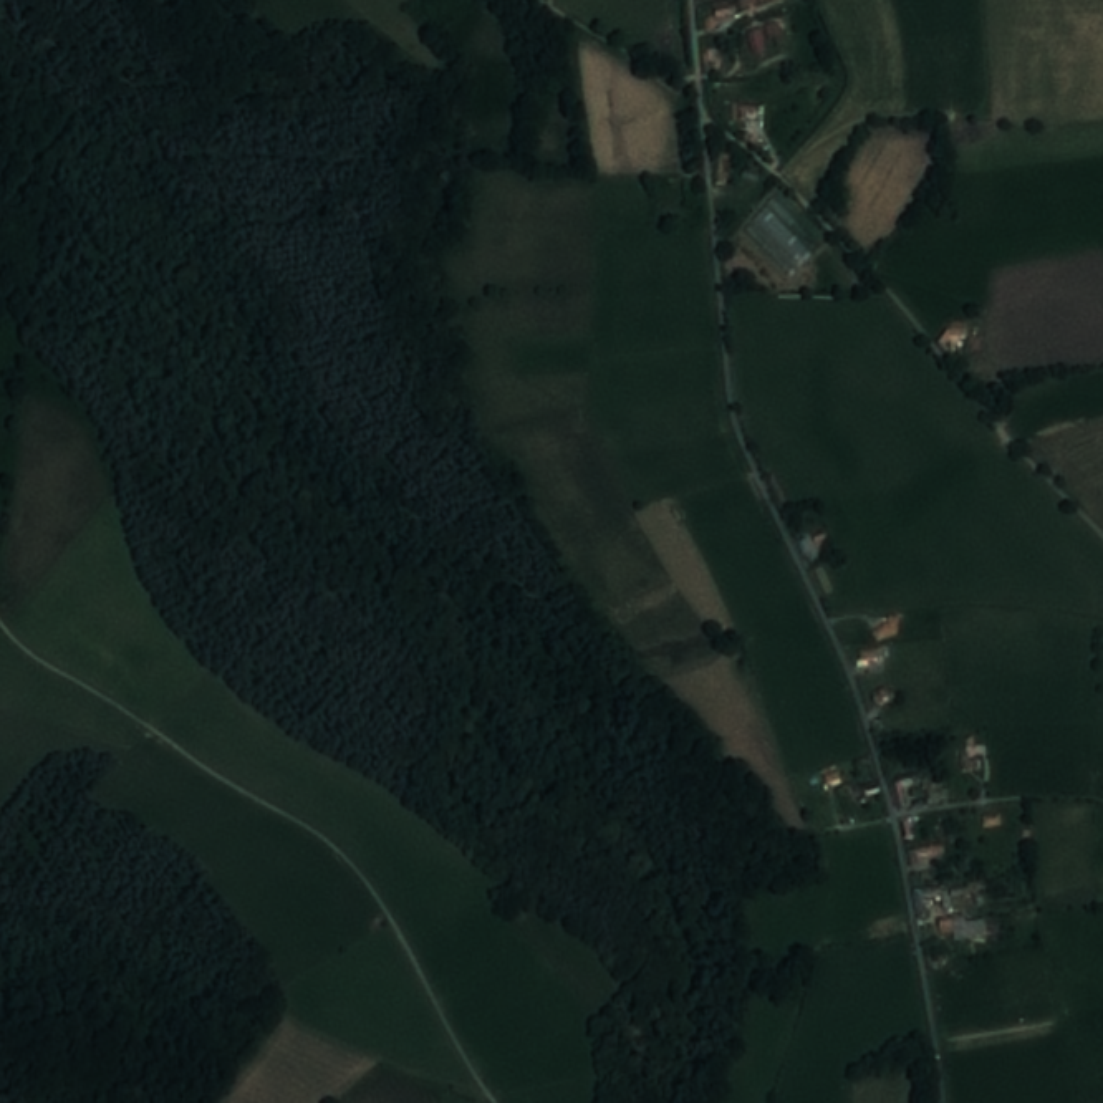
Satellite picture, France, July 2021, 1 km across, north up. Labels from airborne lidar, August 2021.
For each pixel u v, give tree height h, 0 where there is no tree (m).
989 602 0
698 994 21
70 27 19
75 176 24
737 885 20
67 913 21
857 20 0
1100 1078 0
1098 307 0
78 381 17
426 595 22
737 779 24
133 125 19
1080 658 0
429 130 23
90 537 0
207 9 27
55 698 0
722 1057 22
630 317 0
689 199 8
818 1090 0
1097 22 0
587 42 0
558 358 0
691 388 0
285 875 0
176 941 22
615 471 0
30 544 0
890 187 0
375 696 18
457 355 18
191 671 0
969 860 15
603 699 20
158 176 29
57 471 0
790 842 19
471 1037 0
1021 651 0
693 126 17
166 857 19
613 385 0
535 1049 0
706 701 0
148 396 25
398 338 19
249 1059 14
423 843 0
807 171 0
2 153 15
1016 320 0
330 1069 0
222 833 0
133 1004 20
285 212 21
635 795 23
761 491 0
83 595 0
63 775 21
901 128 13
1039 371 18
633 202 0
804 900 0
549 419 0
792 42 0
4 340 0
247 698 21
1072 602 0
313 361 19
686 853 22
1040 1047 0
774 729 0
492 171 20
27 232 12
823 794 0
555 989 0
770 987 24
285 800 0
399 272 25
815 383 0
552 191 0
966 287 0
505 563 23
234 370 32
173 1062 16
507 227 0
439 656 24
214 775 0
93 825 17
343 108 25
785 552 0
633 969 21
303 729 18
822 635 0
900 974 0
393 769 20
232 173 13
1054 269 0
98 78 23
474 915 0
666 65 20
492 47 0
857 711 0
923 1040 17
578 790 21
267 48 20
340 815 0
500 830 21
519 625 23
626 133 0
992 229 0
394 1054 0
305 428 19
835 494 0
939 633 0
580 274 0
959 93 0
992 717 0
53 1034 25
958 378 15
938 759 11
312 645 22
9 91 25
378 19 0
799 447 0
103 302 22
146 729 0
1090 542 0
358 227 25
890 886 0
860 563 0
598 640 21
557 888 22
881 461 0
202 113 25
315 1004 0
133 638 0
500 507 23
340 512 22
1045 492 0
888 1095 0
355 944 0
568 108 19
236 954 21
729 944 19
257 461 26
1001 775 0
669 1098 19
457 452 19
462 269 0
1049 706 0
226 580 17
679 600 0
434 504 17
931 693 0
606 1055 22
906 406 0
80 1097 15
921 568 0
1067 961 0
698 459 0
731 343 12
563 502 0
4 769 0
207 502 27
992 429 15
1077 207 0
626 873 20
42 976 12
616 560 0
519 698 28
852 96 0
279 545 24
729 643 16
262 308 16
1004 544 0
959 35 0
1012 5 0
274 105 22
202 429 20
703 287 0
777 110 0
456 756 25
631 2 0
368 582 23
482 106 0
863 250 9
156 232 26
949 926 0
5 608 0
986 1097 0
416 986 0
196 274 23
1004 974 0
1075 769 0
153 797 0
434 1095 0
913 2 0
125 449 21
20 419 11
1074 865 0
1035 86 0
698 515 0
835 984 0
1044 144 0
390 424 22
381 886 0
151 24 22
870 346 0
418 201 23
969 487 0
